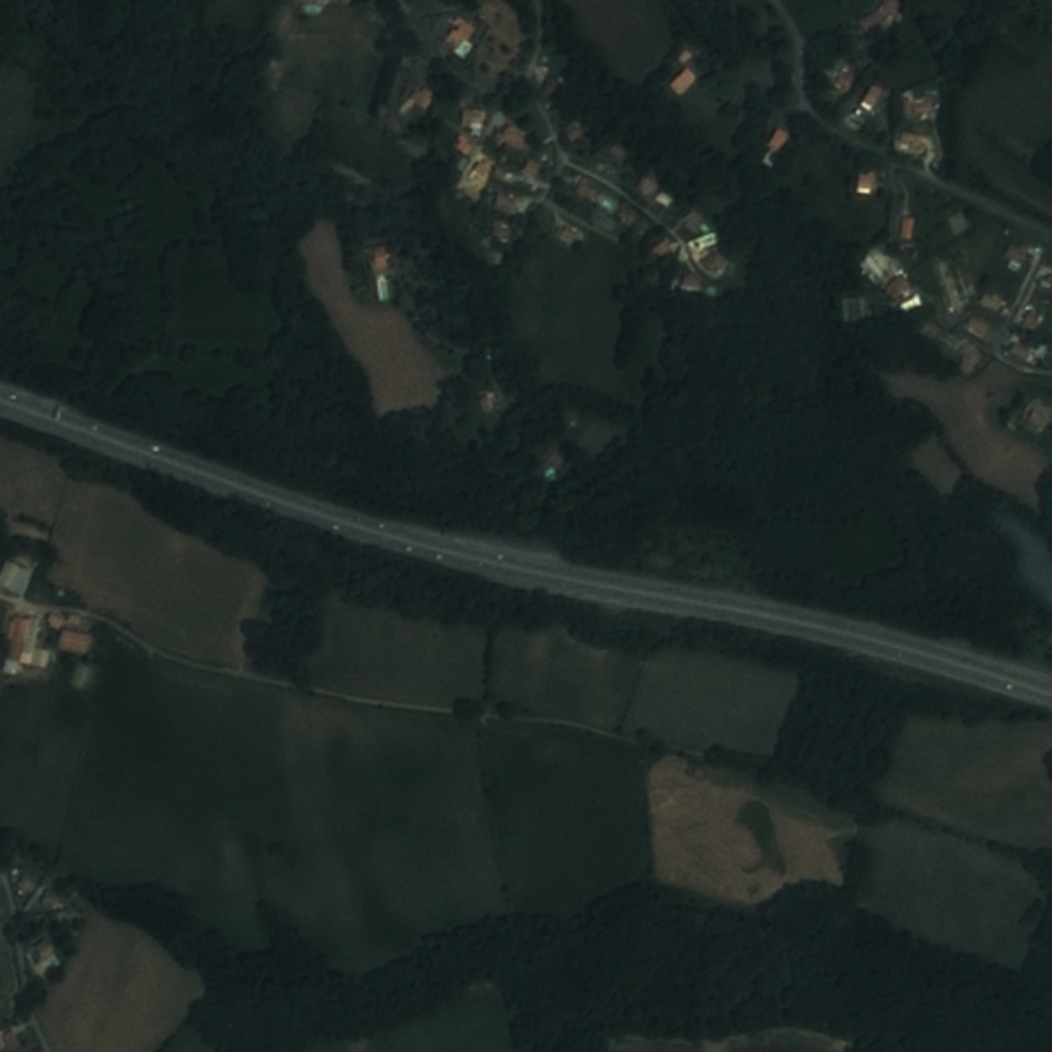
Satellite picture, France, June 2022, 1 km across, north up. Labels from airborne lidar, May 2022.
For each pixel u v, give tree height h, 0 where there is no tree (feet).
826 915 81
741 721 0
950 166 82
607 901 47
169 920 66
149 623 0
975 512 57
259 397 36
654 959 28
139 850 0
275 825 0
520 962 68
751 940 74
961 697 22
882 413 60
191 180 30
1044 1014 94
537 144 55
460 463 69
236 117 86
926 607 62
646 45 0
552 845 0
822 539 65
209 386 0
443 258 73
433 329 60
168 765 0
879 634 0
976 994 82
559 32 32
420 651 0
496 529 43
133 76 73
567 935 56
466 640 0
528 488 69
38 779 0
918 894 0
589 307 0
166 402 78
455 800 0
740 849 0
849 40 59
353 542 36
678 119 74
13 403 0
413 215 84
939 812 0
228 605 0
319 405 61
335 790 0
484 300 87
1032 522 37
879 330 75
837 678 54
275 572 74
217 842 0
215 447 75
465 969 57
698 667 0
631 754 0
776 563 35
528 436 82
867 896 0
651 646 22
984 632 52
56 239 74
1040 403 0
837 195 0
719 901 0
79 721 0
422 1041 0
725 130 0
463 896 0
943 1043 74
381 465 63
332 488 44
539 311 0
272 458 45
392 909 0
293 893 0
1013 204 19
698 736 0
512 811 0
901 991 78
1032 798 0
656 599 0
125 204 49
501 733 0
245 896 0
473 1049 0
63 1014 0
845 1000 70
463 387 59
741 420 94
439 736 0
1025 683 0
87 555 0
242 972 55
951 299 0
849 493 51
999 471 0
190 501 82
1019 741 0
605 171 0
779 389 81
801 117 52
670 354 81
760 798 0
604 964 41
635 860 0
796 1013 56
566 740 0
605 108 70
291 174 82
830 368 32
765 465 77
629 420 69
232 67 72
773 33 55
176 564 0
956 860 0
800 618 0
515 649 0
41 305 33
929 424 64
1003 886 0
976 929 0
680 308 71
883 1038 55
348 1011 71
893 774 0
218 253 36
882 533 0
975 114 0
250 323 0
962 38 67
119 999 0
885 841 0
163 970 0
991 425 0
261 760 0
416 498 64
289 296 86
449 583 53
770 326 63
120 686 0
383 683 0
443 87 52
